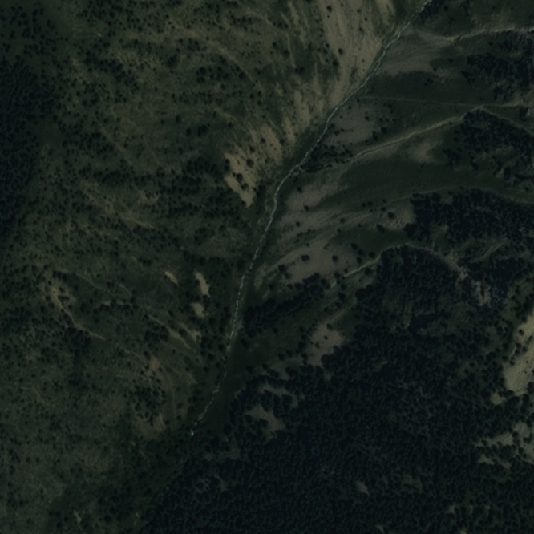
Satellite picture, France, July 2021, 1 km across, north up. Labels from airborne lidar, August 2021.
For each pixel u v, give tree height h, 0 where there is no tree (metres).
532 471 15
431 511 19
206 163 19
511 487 18
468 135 12
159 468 9
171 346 0
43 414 10
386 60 0
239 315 0
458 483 13
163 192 15
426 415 17
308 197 0
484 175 0
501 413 19
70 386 7
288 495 23
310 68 0
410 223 0
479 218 14
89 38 0
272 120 0
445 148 0
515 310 14
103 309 11
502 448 10
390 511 16
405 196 0
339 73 0
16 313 14
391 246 0
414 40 0
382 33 0
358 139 0
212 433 12
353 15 0
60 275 17
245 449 19
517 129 8
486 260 0
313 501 14
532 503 17
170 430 7
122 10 15
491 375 18
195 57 0
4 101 13
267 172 0
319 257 0
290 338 0
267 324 21
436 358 13
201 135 9
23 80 15
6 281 9
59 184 13
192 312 12
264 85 0
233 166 0
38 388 0
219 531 9
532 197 0
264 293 0
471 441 14
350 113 0
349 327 0
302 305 23
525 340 0
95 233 7
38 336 8
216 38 0
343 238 0
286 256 0
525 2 0
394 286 8
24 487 0
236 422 19
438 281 15
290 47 0
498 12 0
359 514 19
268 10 0
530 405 13
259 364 0
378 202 0
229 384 0
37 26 8
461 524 21
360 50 0
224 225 10
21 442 10
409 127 0
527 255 0
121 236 9
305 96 0
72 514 10
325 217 0
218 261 8
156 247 7
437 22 0
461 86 0
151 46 11
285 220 0
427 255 7
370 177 0
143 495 6
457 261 0
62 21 0
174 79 0
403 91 0
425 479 17
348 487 13
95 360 7
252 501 13
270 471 24
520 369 0
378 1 0
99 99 10
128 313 11
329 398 29
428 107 0
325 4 0
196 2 0
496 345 0
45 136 0
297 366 0
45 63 12
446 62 0
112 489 8
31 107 20
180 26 0
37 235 7
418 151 0
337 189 0
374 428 19
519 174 0
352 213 0
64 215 12
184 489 8
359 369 14
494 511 20
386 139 0
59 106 10
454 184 0
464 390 14
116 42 0
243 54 11
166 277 8
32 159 12
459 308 0
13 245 10
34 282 10
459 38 0
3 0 0
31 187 0
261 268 0
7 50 8
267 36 0
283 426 0
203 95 9
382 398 22
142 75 0
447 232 0
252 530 26
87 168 9
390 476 12
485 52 0
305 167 8
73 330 26
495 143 0
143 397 13
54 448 9
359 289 0
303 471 15
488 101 0
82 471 9
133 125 0
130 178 10
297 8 0
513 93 0
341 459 21
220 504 22
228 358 8
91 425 0
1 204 19
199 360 7
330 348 0
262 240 0
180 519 23
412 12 0
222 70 16
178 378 0
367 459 19
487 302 0
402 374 13
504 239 0
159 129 0
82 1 0
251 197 0
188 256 25
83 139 8
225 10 0
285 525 12
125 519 7
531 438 9
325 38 0
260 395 16
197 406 8
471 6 0
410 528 19
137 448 9
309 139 0
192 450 7
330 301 0
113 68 11
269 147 0
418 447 13
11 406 0
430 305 17
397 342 14
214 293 16
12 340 12
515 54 0
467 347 16
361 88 0
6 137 20
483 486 15
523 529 16
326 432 24
